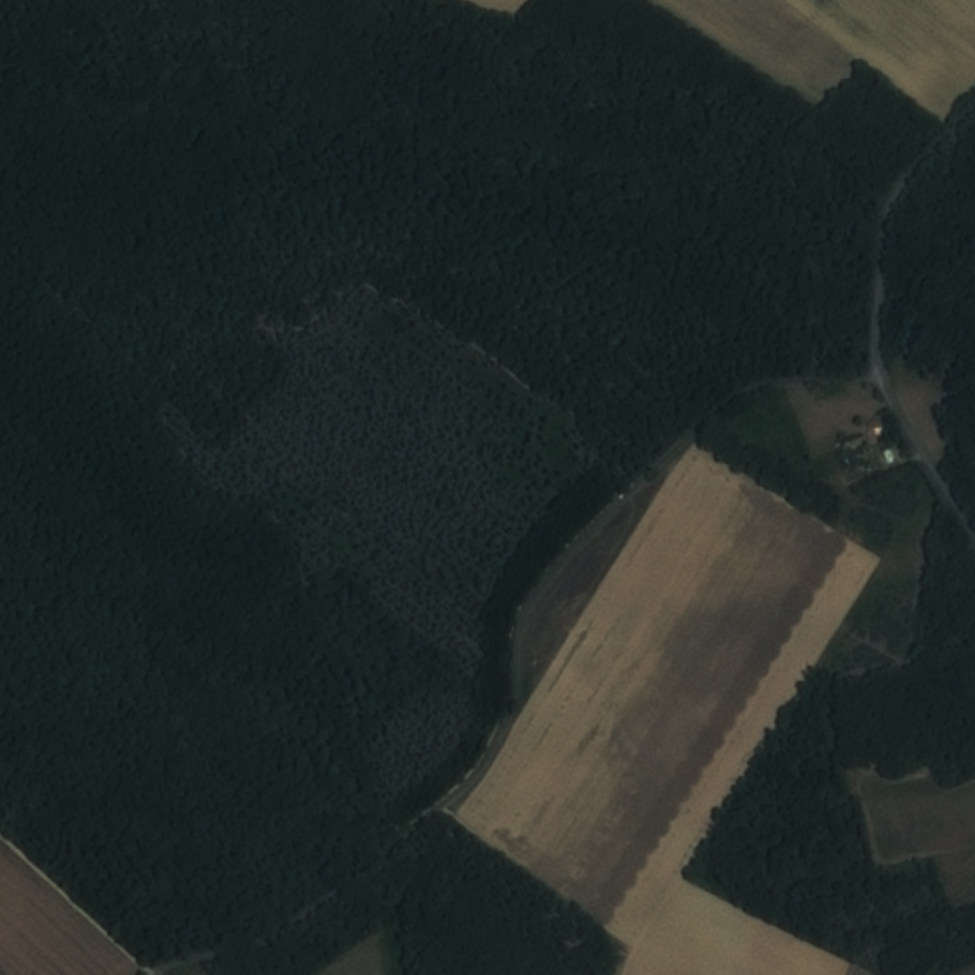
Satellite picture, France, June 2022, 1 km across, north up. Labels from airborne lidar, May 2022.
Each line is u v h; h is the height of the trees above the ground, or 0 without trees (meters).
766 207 23
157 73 24
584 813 0
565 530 16
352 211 24
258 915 21
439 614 19
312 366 14
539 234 20
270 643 16
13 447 25
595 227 20
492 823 0
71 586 22
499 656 13
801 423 0
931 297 25
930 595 15
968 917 12
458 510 17
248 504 16
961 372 19
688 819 0
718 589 0
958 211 20
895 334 17
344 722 18
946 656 17
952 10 0
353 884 22
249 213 20
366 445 17
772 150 22
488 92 23
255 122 20
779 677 0
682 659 0
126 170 18
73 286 16
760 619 0
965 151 14
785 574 0
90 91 14
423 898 17
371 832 27
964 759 16
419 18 14
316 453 15
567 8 12
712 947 0
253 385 15
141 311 17
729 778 0
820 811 12
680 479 0
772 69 0
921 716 18
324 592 20
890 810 0
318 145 28
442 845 17
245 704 25
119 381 15
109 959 0
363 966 0
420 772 16
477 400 11
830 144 18
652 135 18
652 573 0
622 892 0
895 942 11
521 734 0
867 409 0
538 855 0
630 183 24
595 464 12
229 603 20
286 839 15
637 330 14
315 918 11
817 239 25
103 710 19
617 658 0
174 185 23
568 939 20
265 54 21
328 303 12
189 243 19
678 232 15
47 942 0
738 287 22
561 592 0
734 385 12
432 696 10
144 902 22
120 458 17
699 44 15
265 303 10
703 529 0
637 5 14
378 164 27
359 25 21
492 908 16
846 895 8
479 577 17
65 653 17
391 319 6
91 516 19
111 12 18
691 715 0
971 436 23
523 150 25
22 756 15
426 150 27
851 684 18
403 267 10
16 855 0
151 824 17
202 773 14
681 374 15
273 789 23
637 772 0
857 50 0
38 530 19
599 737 0
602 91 22
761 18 0
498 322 18
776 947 0
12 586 19
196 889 21
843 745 16
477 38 18
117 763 16
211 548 18
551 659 0
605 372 16
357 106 21
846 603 0
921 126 19
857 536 0
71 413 18
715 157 25
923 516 0
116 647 17
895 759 18
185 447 17
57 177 19
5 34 18
